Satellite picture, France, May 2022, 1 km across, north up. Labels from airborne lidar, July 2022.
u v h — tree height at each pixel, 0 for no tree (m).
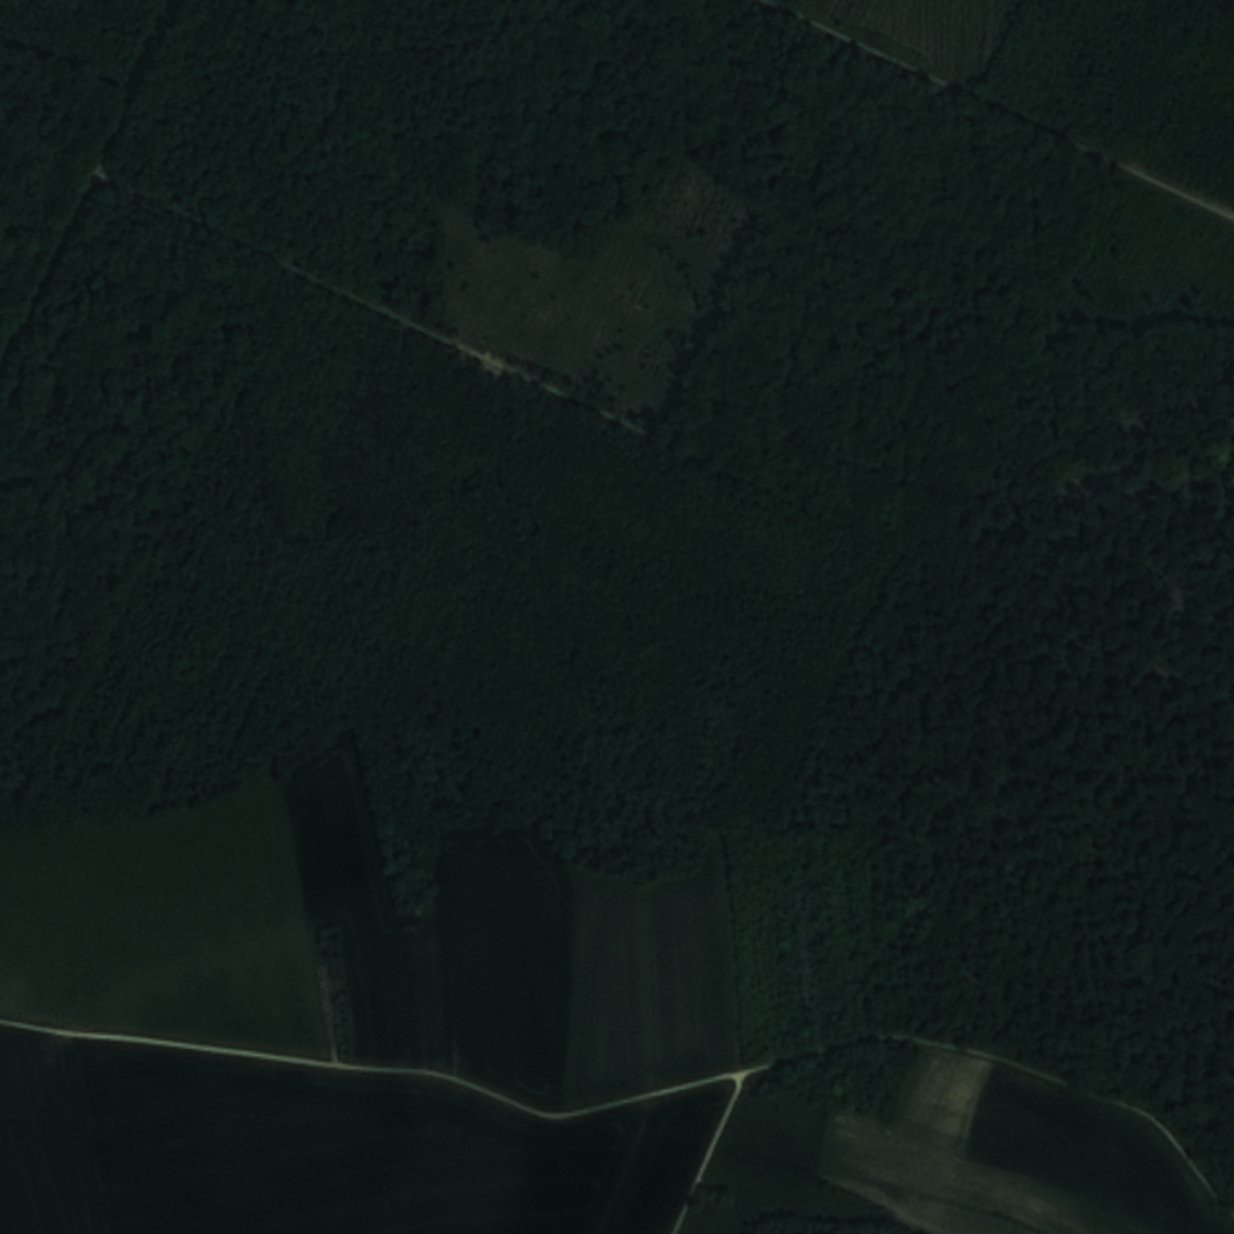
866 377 22
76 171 26
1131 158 14
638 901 0
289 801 0
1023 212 24
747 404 23
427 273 27
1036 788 21
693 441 21
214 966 0
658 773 18
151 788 17
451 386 15
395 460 17
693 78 32
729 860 11
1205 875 22
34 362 21
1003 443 19
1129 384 19
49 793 17
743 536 19
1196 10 15
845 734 19
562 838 18
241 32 21
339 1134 0
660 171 29
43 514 22
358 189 21
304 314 18
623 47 26
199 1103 0
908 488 24
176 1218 0
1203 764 8
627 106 20
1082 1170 0
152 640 18
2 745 23
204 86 21
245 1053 0
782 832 17
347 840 0
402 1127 0
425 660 19
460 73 21
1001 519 30
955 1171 0
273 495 21
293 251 21
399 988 0
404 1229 0
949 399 26
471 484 14
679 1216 0
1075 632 22
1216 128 12
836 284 26
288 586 17
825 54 21
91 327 33
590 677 20
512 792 24
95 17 8
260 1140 0
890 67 17
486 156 17
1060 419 22
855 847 15
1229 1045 22
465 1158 0
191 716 17
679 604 17
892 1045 10
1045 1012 16
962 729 23
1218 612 10
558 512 18
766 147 24
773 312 27
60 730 23
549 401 15
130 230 26
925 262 26
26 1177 0
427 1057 0
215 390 27
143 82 23
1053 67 15
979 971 16
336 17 18
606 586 20
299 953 0
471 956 0
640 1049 0
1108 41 16
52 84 24
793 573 19
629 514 18
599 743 18
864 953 10
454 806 20
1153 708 25
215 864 0
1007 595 23
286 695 19
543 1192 0
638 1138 0
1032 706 19
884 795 16
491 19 22
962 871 20
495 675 19
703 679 18
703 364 27
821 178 27
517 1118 0
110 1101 0
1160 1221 0
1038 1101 0
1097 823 18
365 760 21
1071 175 23
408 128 18
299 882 0
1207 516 26
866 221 28
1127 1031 19
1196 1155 13
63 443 21
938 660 26
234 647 16
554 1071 0
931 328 15
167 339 25
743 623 18
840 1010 11
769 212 26
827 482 21
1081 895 16
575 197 26
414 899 13
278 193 25
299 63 20
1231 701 22
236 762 17
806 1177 0
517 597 18
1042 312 15
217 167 19
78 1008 0
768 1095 11
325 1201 0
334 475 16
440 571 19
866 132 29
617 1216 0
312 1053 0
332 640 19
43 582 30
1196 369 19
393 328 14
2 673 22
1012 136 19
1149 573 22
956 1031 10
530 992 0
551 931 0
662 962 0
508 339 0
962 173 27
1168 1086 24
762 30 22
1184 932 24
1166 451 24
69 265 21
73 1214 0
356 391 17
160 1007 0
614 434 16
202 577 17
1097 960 19
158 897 0
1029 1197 0
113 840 0
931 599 22
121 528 27
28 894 0
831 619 17
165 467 28
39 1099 0
